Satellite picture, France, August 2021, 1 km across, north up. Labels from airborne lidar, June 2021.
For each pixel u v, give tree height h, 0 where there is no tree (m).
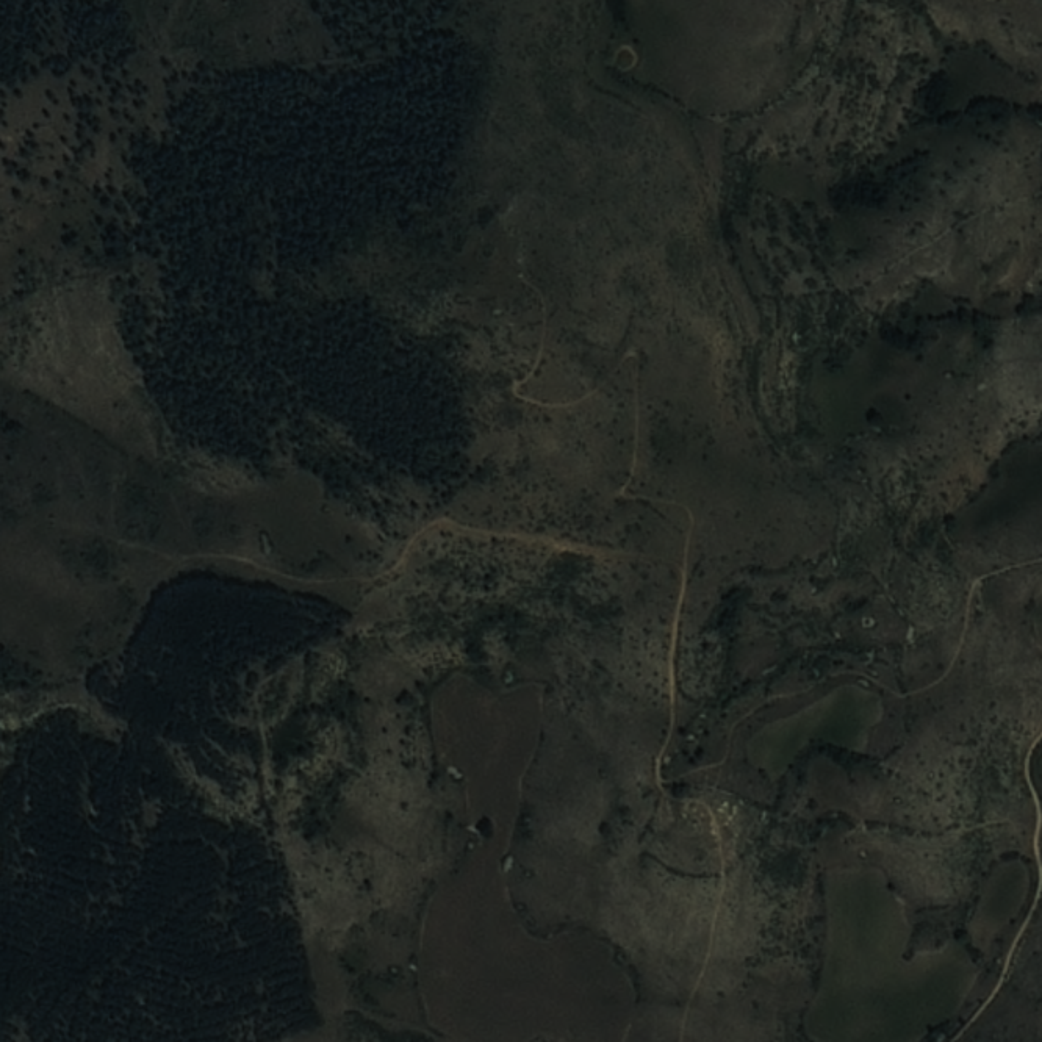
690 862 0
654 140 0
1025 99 0
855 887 0
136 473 0
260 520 0
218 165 10
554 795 0
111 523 0
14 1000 11
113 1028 8
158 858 12
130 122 7
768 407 0
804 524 0
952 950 0
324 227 11
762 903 0
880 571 0
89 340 0
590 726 0
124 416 0
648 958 0
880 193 8
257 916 10
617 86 0
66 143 8
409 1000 0
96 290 0
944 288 0
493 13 0
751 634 0
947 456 0
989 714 0
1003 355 0
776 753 0
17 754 9
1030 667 0
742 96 0
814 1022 0
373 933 0
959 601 0
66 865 9
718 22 0
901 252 0
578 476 0
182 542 0
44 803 15
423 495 0
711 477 0
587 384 0
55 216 0
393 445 15
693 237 0
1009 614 0
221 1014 12
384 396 10
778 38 0
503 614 7
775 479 0
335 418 7
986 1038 0
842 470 0
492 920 0
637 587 0
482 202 0
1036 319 0
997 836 0
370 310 9
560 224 0
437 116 10
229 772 8
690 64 0
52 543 0
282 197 8
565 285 0
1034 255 0
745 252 0
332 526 0
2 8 14
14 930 16
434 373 7
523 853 0
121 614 0
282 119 10
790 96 0
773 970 0
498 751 0
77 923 10
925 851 0
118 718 7
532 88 0
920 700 0
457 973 0
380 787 0
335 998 0
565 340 0
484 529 0
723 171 0
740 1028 0
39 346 0
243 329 14
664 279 0
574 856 0
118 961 12
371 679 0
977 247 0
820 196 0
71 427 0
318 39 0
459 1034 0
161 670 9
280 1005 11
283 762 11
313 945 0
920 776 0
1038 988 0
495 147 0
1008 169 0
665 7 0
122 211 11
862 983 0
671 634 0
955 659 0
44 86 0
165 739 8
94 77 10
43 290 0
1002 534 0
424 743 0
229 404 11
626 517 0
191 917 10
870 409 0
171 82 6
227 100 8
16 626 0
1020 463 0
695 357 0
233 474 0
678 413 0
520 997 0
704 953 0
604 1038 0
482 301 0
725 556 0
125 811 7
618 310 0
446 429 10
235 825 9
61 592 0
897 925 0
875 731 0
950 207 0
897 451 0
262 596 13
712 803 0
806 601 0
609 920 0
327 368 11
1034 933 0
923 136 0
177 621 14
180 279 11
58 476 0
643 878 0
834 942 0
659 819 0
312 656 7
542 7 0
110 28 10
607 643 0
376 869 0
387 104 11
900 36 0
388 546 0
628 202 0
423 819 0
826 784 0
